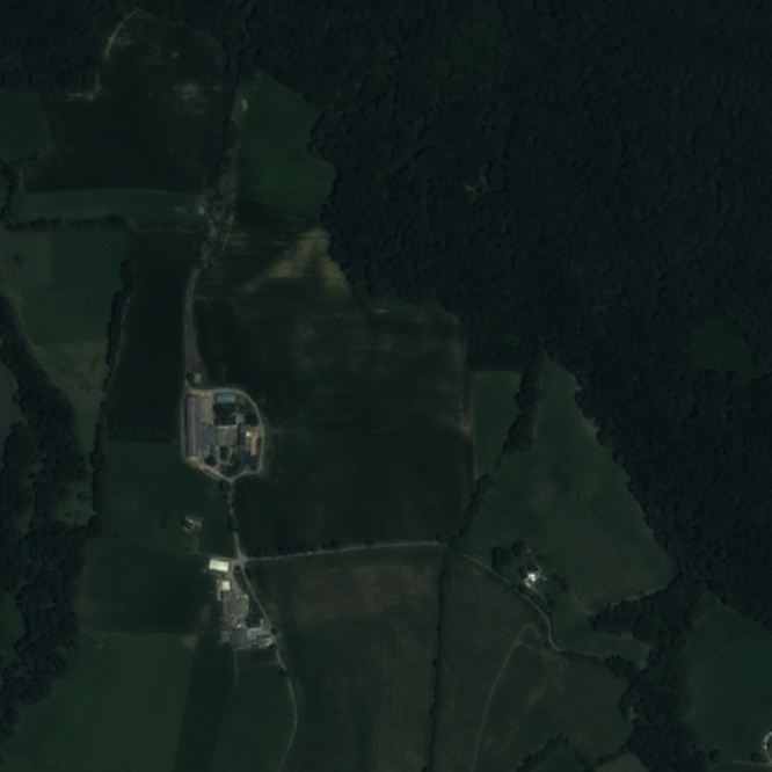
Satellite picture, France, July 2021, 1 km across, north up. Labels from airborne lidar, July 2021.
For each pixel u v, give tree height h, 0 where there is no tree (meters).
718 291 23
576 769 0
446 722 0
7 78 23
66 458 14
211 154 0
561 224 19
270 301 0
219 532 0
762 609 28
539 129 27
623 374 27
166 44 0
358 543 0
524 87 22
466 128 34
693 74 20
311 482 0
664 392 23
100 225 6
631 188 32
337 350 0
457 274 30
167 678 0
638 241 25
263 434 0
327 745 0
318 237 0
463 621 0
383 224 21
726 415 26
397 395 0
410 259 21
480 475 0
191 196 0
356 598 0
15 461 23
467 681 0
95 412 0
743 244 23
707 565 31
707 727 0
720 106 17
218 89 0
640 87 21
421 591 0
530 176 26
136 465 0
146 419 0
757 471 18
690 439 23
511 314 31
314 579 0
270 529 0
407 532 0
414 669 0
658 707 30
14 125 0
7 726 22
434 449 0
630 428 34
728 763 10
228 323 0
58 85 20
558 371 0
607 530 0
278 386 0
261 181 0
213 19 27
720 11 28
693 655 0
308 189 0
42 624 24
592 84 25
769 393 29
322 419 0
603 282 29
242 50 18
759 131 28
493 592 0
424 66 35
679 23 24
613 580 0
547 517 0
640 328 29
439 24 30
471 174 38
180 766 0
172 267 0
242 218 0
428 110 31
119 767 0
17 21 29
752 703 0
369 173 33
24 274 0
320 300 0
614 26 19
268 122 0
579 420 0
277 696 0
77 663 0
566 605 0
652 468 29
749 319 25
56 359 0
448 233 26
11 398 0
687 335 29
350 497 0
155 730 0
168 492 0
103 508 14
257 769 0
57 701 0
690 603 21
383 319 0
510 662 0
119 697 0
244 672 0
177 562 0
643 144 28
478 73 11
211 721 0
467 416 0
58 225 16
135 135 0
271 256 0
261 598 0
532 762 14
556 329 32
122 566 0
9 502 19
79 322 0
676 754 26
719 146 27
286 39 30
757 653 0
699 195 28
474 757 0
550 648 8
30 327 0
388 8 27
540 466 0
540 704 0
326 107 23
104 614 0
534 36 23
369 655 0
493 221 33
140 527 0
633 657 0
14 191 16
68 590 26
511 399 0
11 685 24
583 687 0
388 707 0
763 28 29
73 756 0
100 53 27
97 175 0
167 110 0
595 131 20
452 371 0
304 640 0
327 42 28
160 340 0
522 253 35
